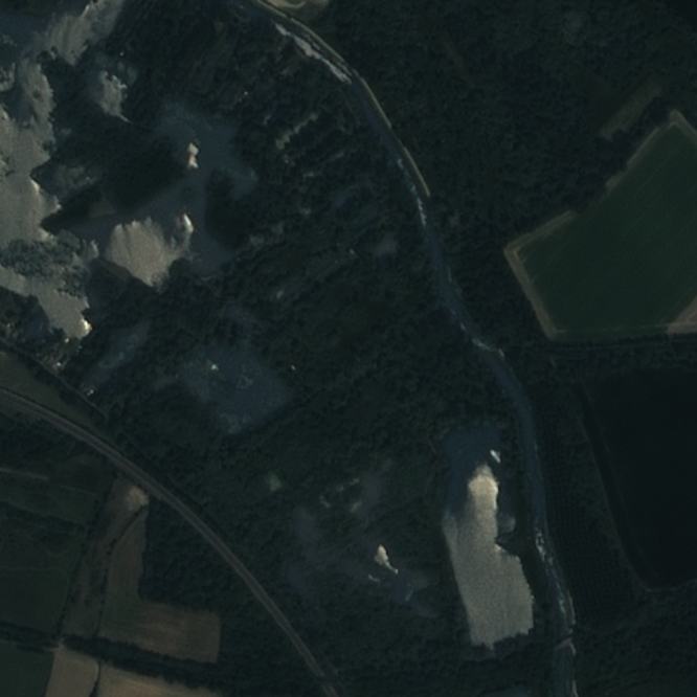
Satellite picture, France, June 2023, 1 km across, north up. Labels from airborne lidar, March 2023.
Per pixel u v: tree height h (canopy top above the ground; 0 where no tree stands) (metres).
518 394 0
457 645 8
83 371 14
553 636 10
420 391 16
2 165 0
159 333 8
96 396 9
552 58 6
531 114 28
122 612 0
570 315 0
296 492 6
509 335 16
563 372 8
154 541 13
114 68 0
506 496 0
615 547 6
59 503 0
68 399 15
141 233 0
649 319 0
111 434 8
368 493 0
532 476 0
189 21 18
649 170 0
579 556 20
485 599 0
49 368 0
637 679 0
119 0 0
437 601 6
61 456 7
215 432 7
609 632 14
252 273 14
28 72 0
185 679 14
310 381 6
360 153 8
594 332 0
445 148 8
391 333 7
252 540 6
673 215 0
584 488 10
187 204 0
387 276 7
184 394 7
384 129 0
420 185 0
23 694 0
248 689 6
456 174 18
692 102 8
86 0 0
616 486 0
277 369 8
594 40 7
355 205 13
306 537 0
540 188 17
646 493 0
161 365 13
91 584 0
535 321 20
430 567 6
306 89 8
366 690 8
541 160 8
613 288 0
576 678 7
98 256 0
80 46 0
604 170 24
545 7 6
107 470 0
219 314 10
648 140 0
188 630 0
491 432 0
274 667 24
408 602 0
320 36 0
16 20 0
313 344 7
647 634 8
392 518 6
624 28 6
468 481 0
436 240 0
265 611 7
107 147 14
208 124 0
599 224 0
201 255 0
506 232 19
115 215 0
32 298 11
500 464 0
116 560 0
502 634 0
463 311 0
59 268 0
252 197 9
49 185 0
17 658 0
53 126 0
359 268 7
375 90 0
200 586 9
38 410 0
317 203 7
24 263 0
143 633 0
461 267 12
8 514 7
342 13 16
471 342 31
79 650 7
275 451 6
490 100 9
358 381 15
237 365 0
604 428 0
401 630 12
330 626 14
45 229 0
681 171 0
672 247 0
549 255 0
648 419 0
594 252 0
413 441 6
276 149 14
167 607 0
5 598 0
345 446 10
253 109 14
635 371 0
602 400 0
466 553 0
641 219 0
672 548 0
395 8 9
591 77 0
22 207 0
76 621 0
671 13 10
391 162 15
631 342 12
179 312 21
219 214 0
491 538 0
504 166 8
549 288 0
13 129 0
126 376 14
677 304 0
